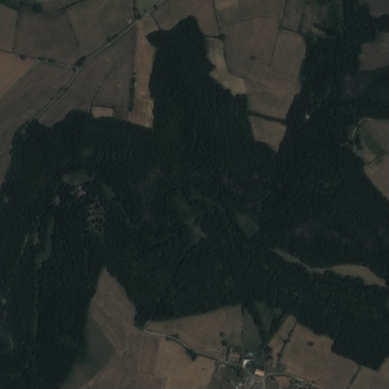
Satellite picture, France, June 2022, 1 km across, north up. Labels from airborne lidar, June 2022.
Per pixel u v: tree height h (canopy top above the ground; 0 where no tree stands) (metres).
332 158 14
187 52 19
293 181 24
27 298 26
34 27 0
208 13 0
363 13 13
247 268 13
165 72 21
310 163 28
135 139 13
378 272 22
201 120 23
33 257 13
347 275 0
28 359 25
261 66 0
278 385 0
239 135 13
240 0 0
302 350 0
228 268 9
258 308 0
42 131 14
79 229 16
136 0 0
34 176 15
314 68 11
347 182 19
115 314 0
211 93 18
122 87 0
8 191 13
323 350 0
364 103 11
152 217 8
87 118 10
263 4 0
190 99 21
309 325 13
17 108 0
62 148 16
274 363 0
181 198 0
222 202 21
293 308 11
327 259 19
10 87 0
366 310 11
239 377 9
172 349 0
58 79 0
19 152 13
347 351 16
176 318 11
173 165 9
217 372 0
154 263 19
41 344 19
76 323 14
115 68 0
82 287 17
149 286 16
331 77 15
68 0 0
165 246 21
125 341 0
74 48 0
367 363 17
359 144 17
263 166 13
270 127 0
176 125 13
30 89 0
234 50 0
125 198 25
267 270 11
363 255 16
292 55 0
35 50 0
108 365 0
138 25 0
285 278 12
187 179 16
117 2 0
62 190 20
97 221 13
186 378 0
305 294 15
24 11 0
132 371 0
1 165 0
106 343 0
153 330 0
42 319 19
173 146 21
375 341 19
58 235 14
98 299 0
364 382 0
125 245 22
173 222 13
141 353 0
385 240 8
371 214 12
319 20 0
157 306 15
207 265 12
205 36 7
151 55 0
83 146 16
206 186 24
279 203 27
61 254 19
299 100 13
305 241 11
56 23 0
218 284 16
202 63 16
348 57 19
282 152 14
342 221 18
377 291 22
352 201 15
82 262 19
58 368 16
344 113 13
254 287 19
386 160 0
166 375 0
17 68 0
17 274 14
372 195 10
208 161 20
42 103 0
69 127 17
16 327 18
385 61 0
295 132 13
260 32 0
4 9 0
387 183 0
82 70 0
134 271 13
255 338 0
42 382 13
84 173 0
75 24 0
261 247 23
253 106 0
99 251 22
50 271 20
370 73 6
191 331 0
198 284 14
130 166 17
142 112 0
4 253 14
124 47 0
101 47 0
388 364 0
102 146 15
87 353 0
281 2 0
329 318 16
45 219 25
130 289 14
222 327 0
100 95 0
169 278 15
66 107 0
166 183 21
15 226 15
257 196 8
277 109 0
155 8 10
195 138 13
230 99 12
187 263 16
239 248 15
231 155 15
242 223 0
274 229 20
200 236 0
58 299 16
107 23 0
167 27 0
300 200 23
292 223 14
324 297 18
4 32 0
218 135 15
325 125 20
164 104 20
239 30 0
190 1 0
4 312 10
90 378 0
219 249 14
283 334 0
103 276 0
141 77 0
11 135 0
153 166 10
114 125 8
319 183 18
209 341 0
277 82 0
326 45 19
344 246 6
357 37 16
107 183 25
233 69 0
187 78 19
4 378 24
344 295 17
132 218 21
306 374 0
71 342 17
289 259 0
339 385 0
